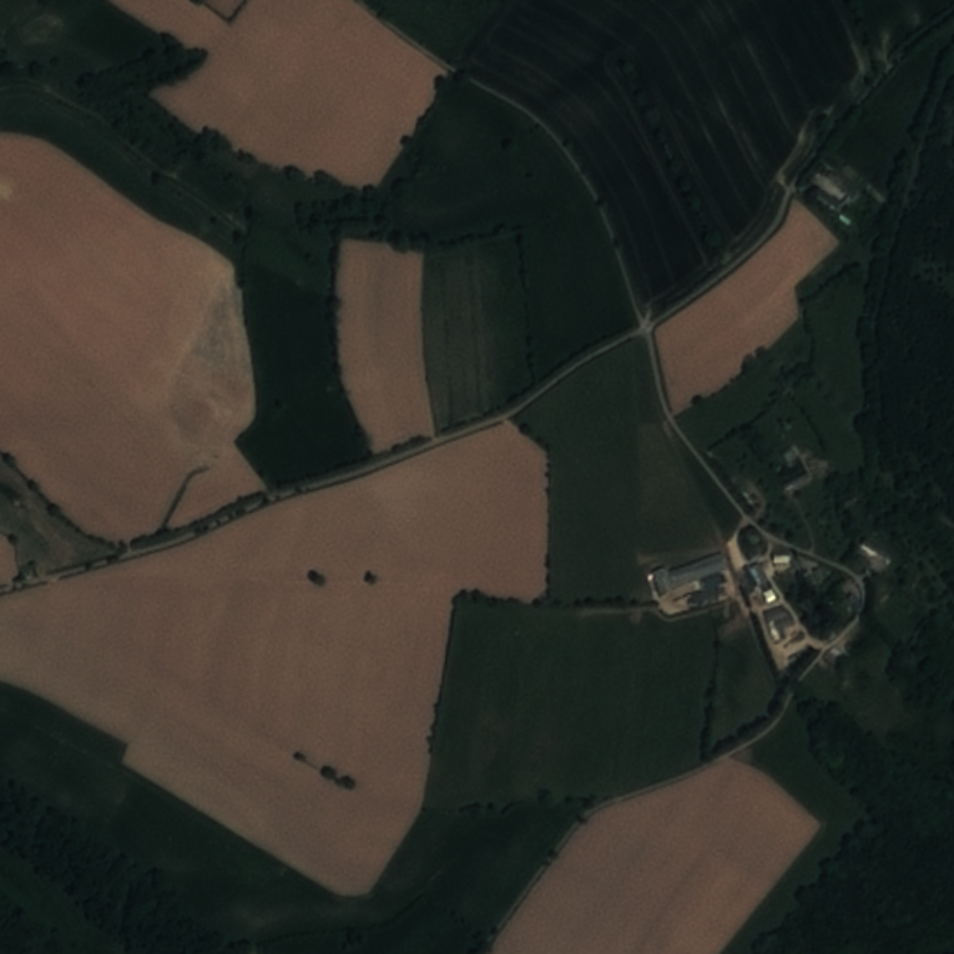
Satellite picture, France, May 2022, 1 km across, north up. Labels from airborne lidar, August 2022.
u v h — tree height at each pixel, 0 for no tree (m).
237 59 0
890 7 0
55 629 0
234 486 0
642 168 0
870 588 13
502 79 0
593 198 0
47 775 0
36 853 22
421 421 0
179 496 0
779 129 0
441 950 0
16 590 7
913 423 12
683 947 0
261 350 0
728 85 0
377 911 0
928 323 11
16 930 19
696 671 0
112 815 0
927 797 24
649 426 0
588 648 0
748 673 0
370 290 0
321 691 0
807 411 7
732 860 0
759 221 0
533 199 0
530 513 0
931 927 20
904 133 0
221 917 0
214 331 0
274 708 0
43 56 0
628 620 0
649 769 0
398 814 0
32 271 0
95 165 0
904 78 0
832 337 0
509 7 0
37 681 0
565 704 0
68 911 0
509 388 0
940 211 10
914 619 0
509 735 0
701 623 0
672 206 0
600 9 0
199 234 0
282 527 0
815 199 10
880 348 13
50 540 0
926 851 21
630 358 0
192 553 0
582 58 0
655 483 0
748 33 0
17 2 0
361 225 18
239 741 0
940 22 9
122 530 0
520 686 0
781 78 0
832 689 0
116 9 6
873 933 18
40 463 0
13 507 0
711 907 0
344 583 0
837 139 14
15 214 0
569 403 0
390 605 0
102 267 0
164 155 12
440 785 0
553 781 0
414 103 0
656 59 0
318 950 0
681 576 0
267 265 0
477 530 0
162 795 0
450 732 0
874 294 13
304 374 0
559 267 0
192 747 0
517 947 0
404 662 0
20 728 0
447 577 0
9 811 20
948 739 0
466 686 0
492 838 0
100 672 0
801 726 0
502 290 0
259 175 0
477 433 0
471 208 0
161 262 0
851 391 0
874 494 6
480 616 0
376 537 0
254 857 0
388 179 0
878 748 18
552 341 0
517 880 0
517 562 0
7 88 0
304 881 0
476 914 0
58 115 0
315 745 0
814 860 0
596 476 0
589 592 0
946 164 10
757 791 0
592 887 0
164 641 0
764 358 18
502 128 0
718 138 0
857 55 0
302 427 0
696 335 0
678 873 0
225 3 0
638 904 0
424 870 0
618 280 0
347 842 0
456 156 0
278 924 0
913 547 7
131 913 22
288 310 0
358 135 0
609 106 0
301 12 0
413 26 0
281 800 0
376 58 0
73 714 0
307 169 0
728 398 0
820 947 19
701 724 0
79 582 0
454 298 0
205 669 0
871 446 10
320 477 8
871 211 6
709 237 14
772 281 0
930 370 13
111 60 0
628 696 0
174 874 0
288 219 0
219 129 0
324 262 0
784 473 9
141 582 0
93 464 0
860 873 18
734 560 0
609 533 0
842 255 0
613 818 0
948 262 10
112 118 8
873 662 0
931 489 11
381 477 0
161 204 0
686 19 0
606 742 0
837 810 0
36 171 0
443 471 0
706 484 0
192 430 0
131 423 0
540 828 0
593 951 0
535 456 0
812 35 0
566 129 0
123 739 0
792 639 0
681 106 0
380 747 0
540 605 14
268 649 0
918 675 7
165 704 0
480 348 0
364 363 0
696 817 0
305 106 0
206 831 0
